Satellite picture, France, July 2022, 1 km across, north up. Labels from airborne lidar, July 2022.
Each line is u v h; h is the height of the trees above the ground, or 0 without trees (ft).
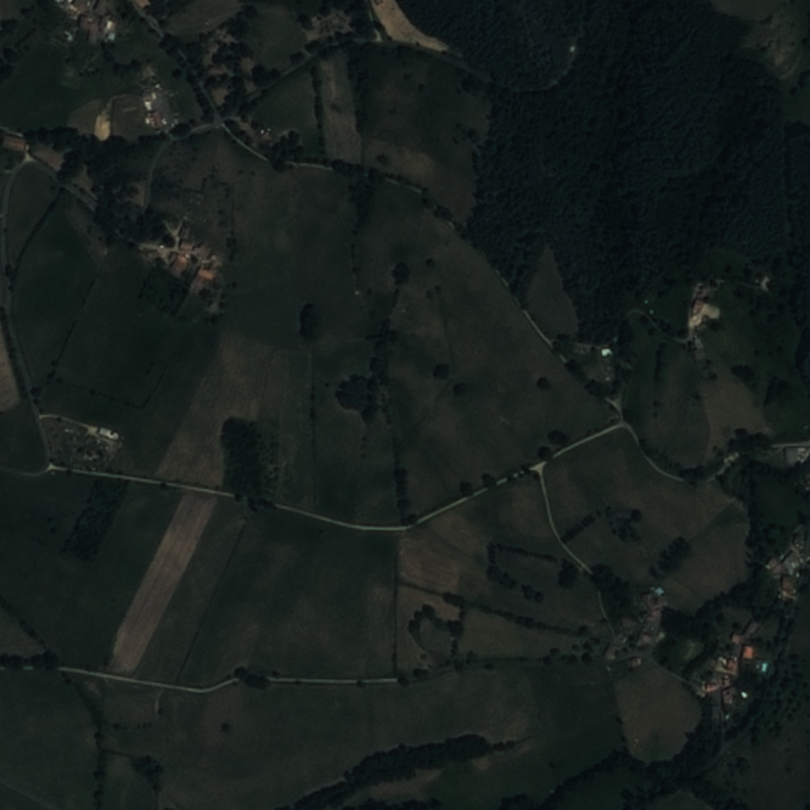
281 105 0
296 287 0
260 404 0
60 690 0
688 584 0
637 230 103
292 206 0
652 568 0
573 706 0
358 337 0
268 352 0
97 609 0
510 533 0
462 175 0
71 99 0
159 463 0
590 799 0
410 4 76
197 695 0
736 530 0
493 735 0
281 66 0
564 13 25
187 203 0
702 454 0
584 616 0
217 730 0
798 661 34
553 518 0
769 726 35
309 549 0
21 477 0
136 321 0
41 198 0
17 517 0
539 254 45
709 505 0
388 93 0
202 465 0
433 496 0
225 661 0
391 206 0
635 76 57
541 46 35
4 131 24
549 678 0
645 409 0
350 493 0
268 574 0
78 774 0
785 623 38
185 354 0
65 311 0
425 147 0
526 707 0
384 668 0
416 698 0
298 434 0
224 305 28
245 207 0
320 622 0
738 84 85
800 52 0
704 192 65
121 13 18
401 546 0
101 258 0
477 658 27
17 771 0
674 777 74
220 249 0
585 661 40
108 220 41
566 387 0
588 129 22
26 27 0
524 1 34
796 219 45
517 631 0
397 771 69
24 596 0
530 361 0
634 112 24
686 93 97
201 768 0
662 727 0
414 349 0
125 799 0
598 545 0
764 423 0
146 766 23
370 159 0
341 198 0
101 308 0
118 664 0
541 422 0
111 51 46
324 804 61
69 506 0
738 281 37
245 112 44
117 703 0
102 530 25
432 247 0
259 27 0
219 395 0
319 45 46
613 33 94
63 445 0
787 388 41
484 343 0
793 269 58
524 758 0
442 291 29
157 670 0
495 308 0
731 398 0
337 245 0
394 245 0
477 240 64
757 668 0
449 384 0
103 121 0
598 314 46
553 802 54
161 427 0
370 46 38
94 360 0
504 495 0
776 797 0
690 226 95
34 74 0
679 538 0
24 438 0
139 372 0
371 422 51
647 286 86
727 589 0
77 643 0
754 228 89
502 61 81
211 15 0
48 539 0
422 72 0
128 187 31
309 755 0
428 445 0
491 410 0
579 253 75
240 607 0
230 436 29
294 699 0
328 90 0
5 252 0
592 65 34
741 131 25
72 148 56
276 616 0
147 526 0
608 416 0
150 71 0
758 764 0
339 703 0
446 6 90
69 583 0
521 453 0
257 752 0
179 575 0
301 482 0
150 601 0
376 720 0
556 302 0
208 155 0
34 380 0
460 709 0
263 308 0
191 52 24
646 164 96
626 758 60
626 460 0
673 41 69
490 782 0
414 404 0
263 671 0
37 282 0
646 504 0
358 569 0
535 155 75
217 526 0
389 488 0
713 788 45
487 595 0
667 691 0
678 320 0
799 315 79
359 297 0
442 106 0
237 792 0
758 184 96
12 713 0
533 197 41
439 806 73
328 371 0
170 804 0
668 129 82
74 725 0
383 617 0
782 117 75
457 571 0
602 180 61
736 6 0
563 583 49
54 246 0
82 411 0
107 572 0
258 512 73
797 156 93
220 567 0
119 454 0
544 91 25
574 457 0
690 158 68
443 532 0
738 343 0
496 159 47
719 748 23
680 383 0
